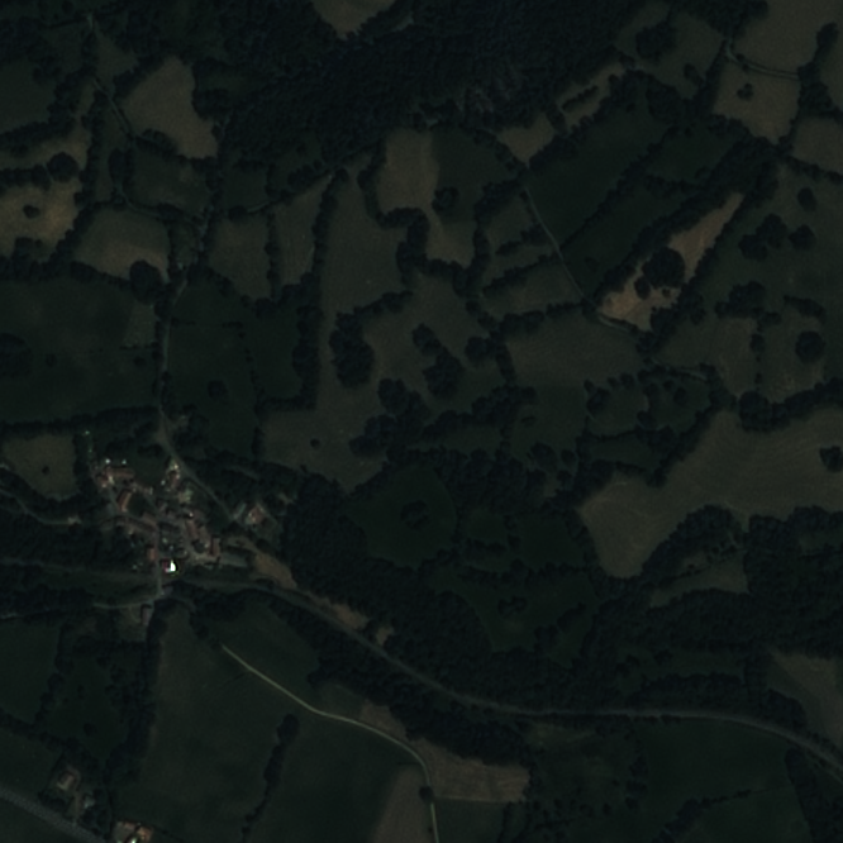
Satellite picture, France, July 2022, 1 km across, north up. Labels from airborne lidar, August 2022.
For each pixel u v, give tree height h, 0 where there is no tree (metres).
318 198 0
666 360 0
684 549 17
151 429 14
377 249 0
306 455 0
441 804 0
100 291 0
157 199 0
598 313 15
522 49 25
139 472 0
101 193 0
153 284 9
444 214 9
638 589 16
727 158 11
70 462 0
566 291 0
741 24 13
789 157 21
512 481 25
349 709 0
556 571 20
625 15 17
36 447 0
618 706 8
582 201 0
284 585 0
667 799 0
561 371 0
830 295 0
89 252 0
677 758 0
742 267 0
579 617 15
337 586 21
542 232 14
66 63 0
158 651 14
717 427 0
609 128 0
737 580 0
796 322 0
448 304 0
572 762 0
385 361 0
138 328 0
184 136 0
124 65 0
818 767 9
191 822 0
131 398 0
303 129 17
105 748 0
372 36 8
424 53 24
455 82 18
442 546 0
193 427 12
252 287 0
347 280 0
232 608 17
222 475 15
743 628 20
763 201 9
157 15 17
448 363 22
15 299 0
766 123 0
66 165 23
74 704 0
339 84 23
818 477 0
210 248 16
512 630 0
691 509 0
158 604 8
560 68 20
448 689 13
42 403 0
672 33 16
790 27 0
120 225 0
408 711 26
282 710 0
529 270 8
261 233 0
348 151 11
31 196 0
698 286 15
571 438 0
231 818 0
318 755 0
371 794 0
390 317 0
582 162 0
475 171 0
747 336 0
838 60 0
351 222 0
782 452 0
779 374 0
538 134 0
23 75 0
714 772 0
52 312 0
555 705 13
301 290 17
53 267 14
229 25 19
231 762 0
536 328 10
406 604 19
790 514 0
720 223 0
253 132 17
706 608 15
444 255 0
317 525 18
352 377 20
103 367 0
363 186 19
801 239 17
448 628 21
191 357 0
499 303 0
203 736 0
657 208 0
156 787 0
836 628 9
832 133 0
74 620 7
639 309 0
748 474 0
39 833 0
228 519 0
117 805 14
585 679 17
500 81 23
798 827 0
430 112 20
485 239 14
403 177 0
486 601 0
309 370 22
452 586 0
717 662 0
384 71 25
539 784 15
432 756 0
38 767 0
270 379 0
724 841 0
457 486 19
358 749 0
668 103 16
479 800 0
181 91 0
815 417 0
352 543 20
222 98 19
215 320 0
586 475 22
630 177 18
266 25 27
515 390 17
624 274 17
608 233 0
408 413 23
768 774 0
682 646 18
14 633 0
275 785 11
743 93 8
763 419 13
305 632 19
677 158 0
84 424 21
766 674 13
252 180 0
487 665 16
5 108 0
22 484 19
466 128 20
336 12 0
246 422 0
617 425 0
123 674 8
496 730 22
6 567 5
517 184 12
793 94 0
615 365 0
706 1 8
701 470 0
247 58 15
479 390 0
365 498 16
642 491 0
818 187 0
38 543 21
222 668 0
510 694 24
